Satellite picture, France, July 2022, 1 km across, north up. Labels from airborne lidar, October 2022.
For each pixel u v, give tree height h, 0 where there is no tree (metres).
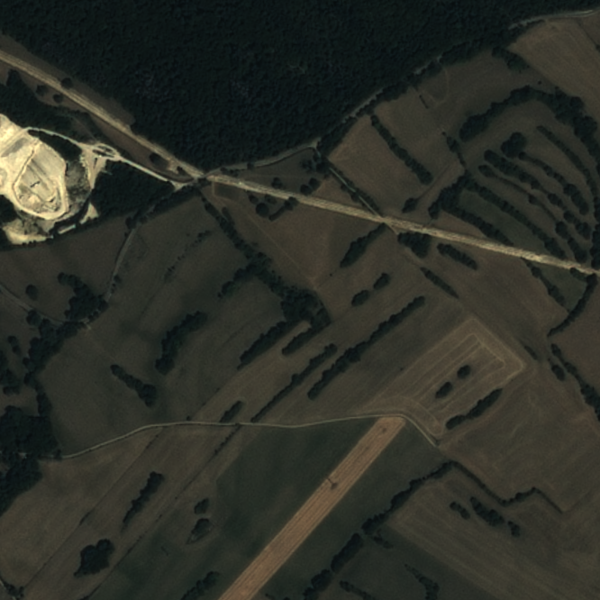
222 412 0
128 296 0
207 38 19
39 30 19
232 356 0
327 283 0
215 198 0
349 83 10
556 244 14
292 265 0
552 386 0
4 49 0
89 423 0
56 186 0
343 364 10
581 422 0
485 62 0
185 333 13
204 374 0
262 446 0
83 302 14
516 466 0
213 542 0
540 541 0
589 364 0
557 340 0
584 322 0
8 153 0
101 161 0
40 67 0
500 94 0
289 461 0
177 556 0
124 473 0
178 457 0
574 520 0
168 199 12
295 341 9
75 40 15
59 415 0
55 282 0
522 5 11
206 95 17
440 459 0
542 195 0
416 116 0
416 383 0
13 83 15
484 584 0
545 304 0
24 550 0
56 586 0
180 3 16
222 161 11
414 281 0
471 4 13
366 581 0
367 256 0
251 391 0
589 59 0
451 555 0
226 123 13
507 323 0
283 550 0
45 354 16
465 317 0
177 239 0
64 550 0
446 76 0
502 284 0
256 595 0
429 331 0
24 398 0
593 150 14
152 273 0
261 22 19
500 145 0
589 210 16
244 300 0
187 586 0
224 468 0
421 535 0
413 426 0
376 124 14
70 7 13
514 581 0
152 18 21
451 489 0
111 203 14
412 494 9
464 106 0
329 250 0
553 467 0
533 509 0
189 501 0
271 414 0
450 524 0
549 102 9
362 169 0
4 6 19
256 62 7
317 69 18
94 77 20
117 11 22
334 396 0
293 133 16
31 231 0
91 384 0
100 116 0
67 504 0
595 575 0
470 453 0
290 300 12
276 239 0
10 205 8
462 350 0
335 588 0
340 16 19
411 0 16
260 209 17
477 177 0
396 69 17
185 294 0
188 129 16
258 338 0
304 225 0
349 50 15
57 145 16
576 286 0
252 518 0
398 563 0
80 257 0
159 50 23
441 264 0
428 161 0
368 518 0
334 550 0
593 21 0
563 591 0
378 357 0
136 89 33
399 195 0
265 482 0
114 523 0
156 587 0
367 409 0
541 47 0
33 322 16
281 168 0
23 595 7
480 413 11
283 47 19
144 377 0
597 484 0
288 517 0
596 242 15
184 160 8
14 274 0
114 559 0
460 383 0
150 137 12
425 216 0
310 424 0
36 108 12
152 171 0
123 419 0
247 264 0
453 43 12
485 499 0
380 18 12
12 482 20
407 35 10
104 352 0
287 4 16
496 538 0
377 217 0
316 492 0
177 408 0
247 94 31
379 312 0
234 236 14
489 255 0
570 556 0
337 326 0
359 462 0
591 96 0
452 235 0
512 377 0
